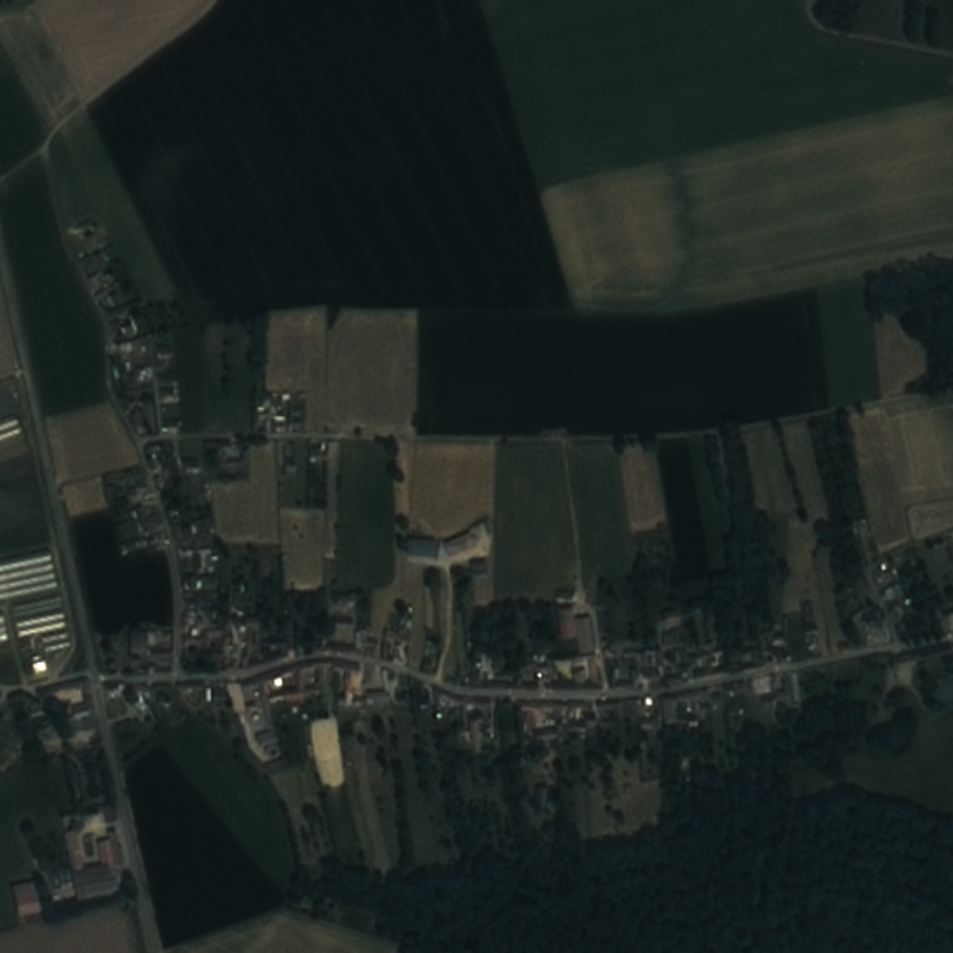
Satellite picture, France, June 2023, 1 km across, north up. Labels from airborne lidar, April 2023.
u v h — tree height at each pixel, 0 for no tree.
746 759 13
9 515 0
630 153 0
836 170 0
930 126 0
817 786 0
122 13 0
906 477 0
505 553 0
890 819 25
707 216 0
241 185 0
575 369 0
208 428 0
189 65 0
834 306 0
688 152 0
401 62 0
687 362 0
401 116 0
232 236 0
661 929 24
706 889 21
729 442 16
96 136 0
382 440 9
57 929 0
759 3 0
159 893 0
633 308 0
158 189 0
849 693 10
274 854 0
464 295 0
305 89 0
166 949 0
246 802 0
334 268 0
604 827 0
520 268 0
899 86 0
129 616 0
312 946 0
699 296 0
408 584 0
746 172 0
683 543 0
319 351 0
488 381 0
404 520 10
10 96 0
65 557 0
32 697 12
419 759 15
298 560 0
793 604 0
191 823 0
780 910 21
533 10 0
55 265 0
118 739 0
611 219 0
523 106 0
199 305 0
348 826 0
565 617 0
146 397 8
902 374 0
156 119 0
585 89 0
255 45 0
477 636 11
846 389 0
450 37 0
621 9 0
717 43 0
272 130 0
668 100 0
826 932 19
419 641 0
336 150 0
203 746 0
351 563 0
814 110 0
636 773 0
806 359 0
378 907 14
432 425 0
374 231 0
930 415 0
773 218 0
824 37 0
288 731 7
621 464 0
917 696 0
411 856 14
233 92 0
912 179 0
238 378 0
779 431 10
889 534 0
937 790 0
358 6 0
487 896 25
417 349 0
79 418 0
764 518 14
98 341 0
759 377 0
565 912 23
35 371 0
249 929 0
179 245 0
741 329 0
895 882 23
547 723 0
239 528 0
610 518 0
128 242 0
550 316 0
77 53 0
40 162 0
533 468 0
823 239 0
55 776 0
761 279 0
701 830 23
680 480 0
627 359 0
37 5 0
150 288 0
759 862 23
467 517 0
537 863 27
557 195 0
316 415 0
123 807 0
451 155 0
